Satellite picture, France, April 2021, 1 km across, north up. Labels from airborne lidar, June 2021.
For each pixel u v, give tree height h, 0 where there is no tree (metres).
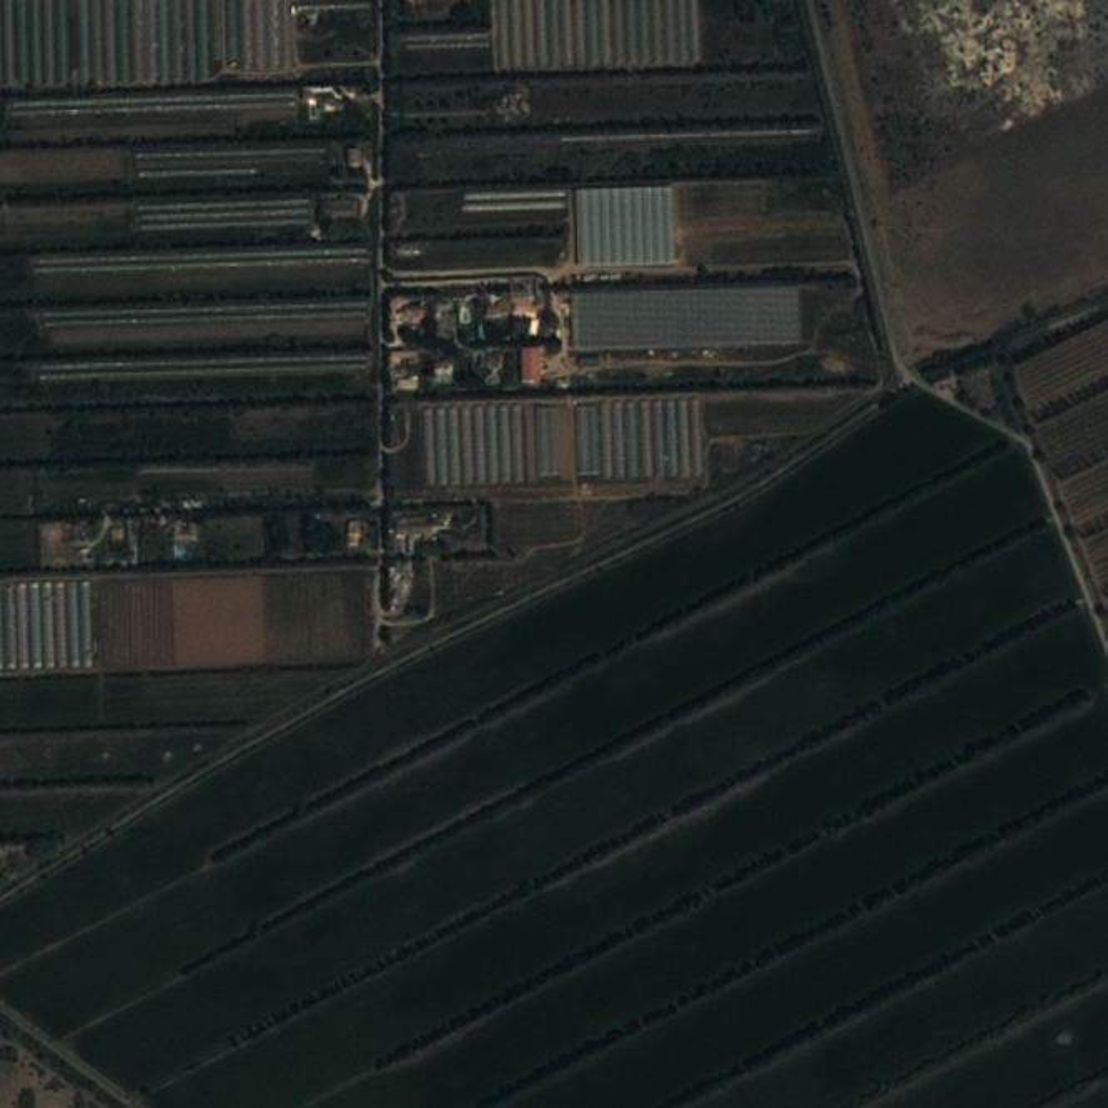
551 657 0
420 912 0
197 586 0
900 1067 0
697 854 0
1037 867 0
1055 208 0
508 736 0
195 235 0
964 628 0
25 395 8
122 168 0
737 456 0
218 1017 0
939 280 0
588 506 0
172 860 0
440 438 0
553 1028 0
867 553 0
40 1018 0
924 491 10
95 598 0
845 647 0
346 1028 0
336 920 0
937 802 0
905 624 0
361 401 11
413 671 0
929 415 0
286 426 0
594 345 0
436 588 0
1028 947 0
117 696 0
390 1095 0
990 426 0
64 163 0
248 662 0
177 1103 0
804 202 0
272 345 7
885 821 0
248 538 0
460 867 0
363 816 0
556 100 0
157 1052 0
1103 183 0
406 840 0
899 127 7
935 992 0
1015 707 0
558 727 0
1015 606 0
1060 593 0
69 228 0
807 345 0
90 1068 0
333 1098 0
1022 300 0
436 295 10
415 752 7
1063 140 0
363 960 0
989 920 0
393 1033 0
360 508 14
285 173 0
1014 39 0
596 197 0
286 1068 0
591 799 0
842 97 0
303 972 0
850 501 0
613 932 0
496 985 0
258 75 0
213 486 0
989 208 0
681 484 0
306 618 0
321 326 0
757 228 0
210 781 0
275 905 0
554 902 0
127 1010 0
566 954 0
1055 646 0
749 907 0
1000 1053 0
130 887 0
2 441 0
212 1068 0
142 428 0
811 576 0
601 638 0
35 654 0
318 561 7
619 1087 0
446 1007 0
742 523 0
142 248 11
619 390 7
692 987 0
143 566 6
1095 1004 0
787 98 0
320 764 0
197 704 0
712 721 0
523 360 0
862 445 0
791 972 0
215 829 0
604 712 0
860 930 0
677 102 0
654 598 0
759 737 0
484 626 0
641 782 0
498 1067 0
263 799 0
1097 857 0
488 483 0
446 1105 0
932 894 0
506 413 0
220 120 0
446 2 8
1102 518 0
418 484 0
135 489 0
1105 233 0
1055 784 0
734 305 0
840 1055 0
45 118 0
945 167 0
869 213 0
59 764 0
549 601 0
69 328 0
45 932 0
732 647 0
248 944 8
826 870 0
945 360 9
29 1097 8
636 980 0
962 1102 0
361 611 0
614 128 13
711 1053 0
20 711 0
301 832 0
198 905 0
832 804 0
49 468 10
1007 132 0
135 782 8
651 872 0
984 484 0
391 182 9
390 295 9
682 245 0
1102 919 0
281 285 0
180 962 0
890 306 0
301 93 7
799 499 0
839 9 0
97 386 11
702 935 0
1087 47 0
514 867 0
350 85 10
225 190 8
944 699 0
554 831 0
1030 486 0
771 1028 0
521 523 0
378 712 0
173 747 0
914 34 0
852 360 0
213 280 0
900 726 0
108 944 0
